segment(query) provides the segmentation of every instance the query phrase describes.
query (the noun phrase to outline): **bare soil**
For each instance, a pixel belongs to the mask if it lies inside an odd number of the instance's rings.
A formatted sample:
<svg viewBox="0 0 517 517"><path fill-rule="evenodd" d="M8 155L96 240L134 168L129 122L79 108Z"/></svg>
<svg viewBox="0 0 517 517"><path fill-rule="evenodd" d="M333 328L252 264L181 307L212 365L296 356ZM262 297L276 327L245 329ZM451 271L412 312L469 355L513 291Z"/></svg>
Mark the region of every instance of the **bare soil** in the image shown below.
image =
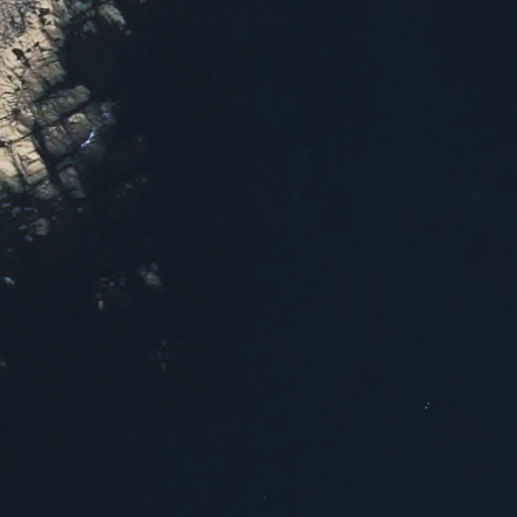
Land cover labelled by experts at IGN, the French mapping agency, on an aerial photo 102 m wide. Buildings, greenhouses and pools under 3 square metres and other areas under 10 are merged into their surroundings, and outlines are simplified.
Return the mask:
<svg viewBox="0 0 517 517"><path fill-rule="evenodd" d="M63 75L59 59L53 50L57 50L63 44L63 32L57 26L71 20L65 0L0 0L0 174L28 174L44 166L30 141L28 129L12 121L10 111L18 109L24 117L32 119L30 101L42 91L40 83L44 79L57 79Z"/></svg>

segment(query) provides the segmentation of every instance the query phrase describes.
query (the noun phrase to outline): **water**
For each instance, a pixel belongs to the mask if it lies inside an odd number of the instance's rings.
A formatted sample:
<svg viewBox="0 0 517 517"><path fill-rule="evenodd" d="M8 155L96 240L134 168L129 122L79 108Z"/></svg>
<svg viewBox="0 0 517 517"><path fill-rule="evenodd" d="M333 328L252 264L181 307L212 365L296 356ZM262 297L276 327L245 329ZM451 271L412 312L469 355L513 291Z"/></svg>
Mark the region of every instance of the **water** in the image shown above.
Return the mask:
<svg viewBox="0 0 517 517"><path fill-rule="evenodd" d="M28 174L0 174L0 517L517 517L517 0L65 0L71 20L57 26L63 32L63 44L57 50L53 50L59 59L63 75L57 79L44 79L40 83L42 91L30 101L32 119L24 117L18 109L10 111L12 121L28 129L30 141L44 166Z"/></svg>

